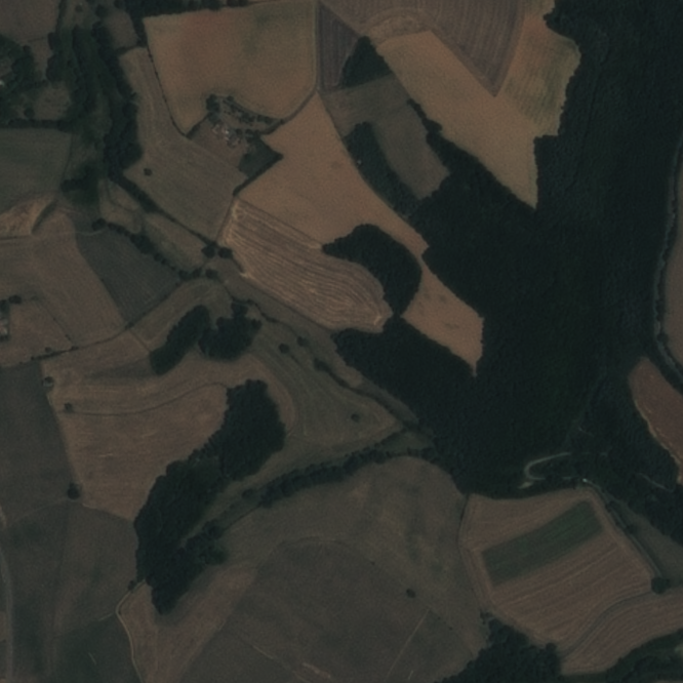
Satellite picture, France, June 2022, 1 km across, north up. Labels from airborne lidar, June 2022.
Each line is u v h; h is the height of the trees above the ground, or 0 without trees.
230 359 17
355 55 6
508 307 12
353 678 0
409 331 12
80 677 0
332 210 0
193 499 18
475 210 19
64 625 0
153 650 0
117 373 0
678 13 24
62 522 0
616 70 16
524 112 0
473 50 0
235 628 0
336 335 7
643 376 0
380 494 0
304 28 0
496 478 7
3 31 0
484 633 0
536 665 21
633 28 21
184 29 0
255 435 21
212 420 0
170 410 0
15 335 0
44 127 15
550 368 18
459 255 15
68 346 0
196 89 0
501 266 17
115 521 0
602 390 19
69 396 0
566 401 18
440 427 15
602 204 22
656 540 0
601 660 0
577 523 0
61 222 0
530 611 0
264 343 0
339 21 0
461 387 15
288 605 0
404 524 0
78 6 8
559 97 0
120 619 0
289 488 24
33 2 0
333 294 0
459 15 0
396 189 12
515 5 0
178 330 16
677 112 23
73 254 0
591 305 14
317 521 0
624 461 11
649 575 0
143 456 0
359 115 0
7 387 0
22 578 0
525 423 18
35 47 0
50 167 0
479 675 20
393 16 0
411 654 0
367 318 0
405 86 0
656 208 16
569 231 24
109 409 0
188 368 0
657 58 23
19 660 0
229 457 19
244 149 0
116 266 0
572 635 0
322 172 0
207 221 0
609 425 22
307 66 0
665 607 0
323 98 0
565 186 22
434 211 16
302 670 0
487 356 17
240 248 0
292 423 0
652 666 16
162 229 0
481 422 19
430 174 0
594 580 0
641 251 19
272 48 0
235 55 0
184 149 0
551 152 15
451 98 0
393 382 17
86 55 20
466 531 0
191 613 0
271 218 0
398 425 0
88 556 0
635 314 21
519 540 0
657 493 21
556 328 20
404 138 0
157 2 22
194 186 0
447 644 0
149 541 22
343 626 0
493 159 0
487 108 0
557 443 20
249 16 0
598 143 17
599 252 20
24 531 0
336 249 19
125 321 0
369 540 0
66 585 0
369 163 15
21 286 0
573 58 0
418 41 0
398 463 0
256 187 0
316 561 0
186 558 32
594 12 19
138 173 0
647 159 18
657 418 0
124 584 0
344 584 0
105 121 0
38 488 0
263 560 0
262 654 0
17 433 0
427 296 0
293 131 0
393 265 19
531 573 0
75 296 0
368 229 15
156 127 0
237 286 0
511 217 21
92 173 14
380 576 0
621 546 0
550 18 16
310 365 0
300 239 0
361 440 0
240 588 0
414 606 0
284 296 0
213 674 0
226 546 0
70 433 0
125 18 0
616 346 9
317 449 0
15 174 0
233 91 0
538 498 0
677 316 0
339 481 13
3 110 8
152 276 0
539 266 22
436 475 0
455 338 0
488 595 0
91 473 0
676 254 0
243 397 19
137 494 0
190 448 0
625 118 22
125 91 17
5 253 0
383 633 0
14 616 0
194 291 0
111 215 0
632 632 0
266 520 0
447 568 0
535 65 0
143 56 0
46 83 8
